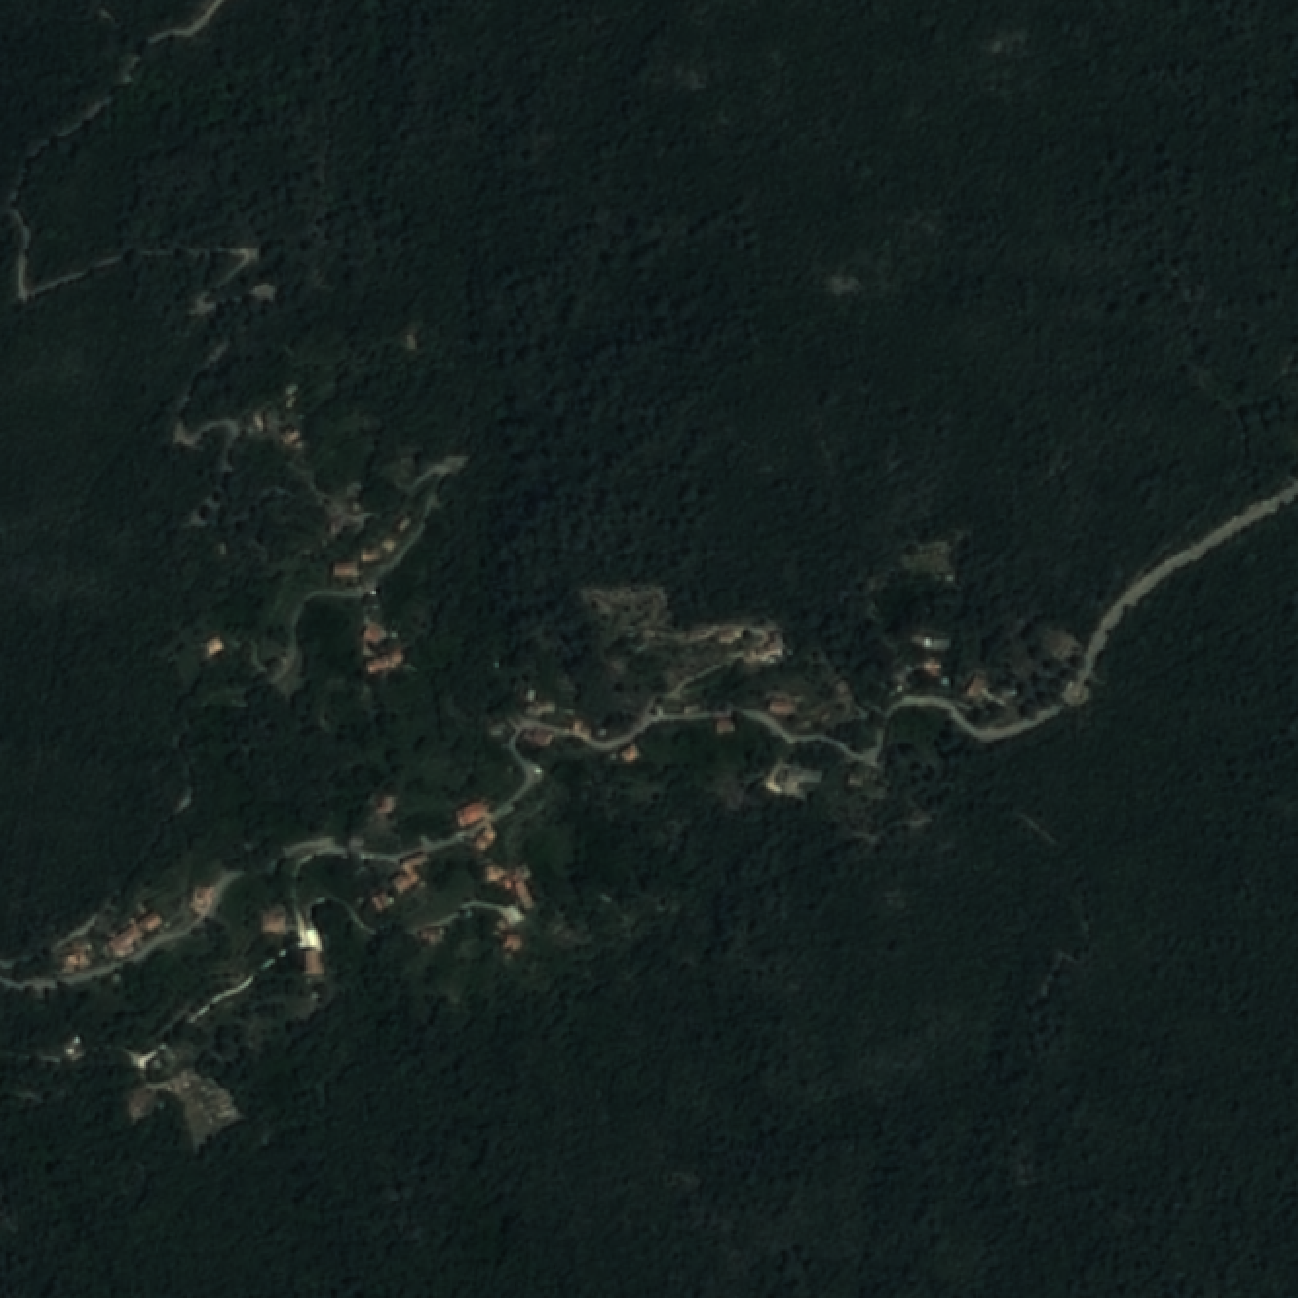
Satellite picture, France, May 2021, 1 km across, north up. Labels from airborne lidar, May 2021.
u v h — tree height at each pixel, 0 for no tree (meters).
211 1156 21
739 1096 18
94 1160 9
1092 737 9
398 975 9
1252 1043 12
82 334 6
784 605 9
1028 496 6
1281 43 14
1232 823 13
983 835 13
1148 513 10
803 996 10
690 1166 12
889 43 11
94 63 11
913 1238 8
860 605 9
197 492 7
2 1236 12
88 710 12
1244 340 8
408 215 21
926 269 7
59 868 8
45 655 11
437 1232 13
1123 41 11
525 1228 16
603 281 27
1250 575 8
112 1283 11
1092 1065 8
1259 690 9
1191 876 6
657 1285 11
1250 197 14
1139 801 11
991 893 13
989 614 18
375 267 9
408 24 12
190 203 20
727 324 16
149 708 12
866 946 7
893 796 9
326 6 17
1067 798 10
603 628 8
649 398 9
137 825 10
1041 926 12
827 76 7
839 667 14
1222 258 9
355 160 16
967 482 8
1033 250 8
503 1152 15
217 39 11
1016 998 10
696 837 13
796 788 0
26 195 9
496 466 9
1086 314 9
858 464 10
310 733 12
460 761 12
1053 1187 11
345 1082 13
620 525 21
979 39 8
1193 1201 20
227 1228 13
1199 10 11
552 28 10
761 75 8
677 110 6
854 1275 7
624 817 7
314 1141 17
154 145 8
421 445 10
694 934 18
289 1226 11
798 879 14
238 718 10
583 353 8
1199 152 12
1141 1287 6
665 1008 12
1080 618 12
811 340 7
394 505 12
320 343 12
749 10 7
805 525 14
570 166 10
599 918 9
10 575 7
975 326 8
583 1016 14
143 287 21
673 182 7
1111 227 20
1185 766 13
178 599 8
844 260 7
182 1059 0
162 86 7
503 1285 11
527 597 14
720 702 7
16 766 7
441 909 0
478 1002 8
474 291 18
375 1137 14
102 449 6
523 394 10
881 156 9
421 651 7
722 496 7
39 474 6
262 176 7
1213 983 9
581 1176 9
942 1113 11
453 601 20
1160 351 8
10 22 10
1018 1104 6
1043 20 13
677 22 6
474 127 21
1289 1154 11
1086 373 12
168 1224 14
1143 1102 9
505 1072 16
